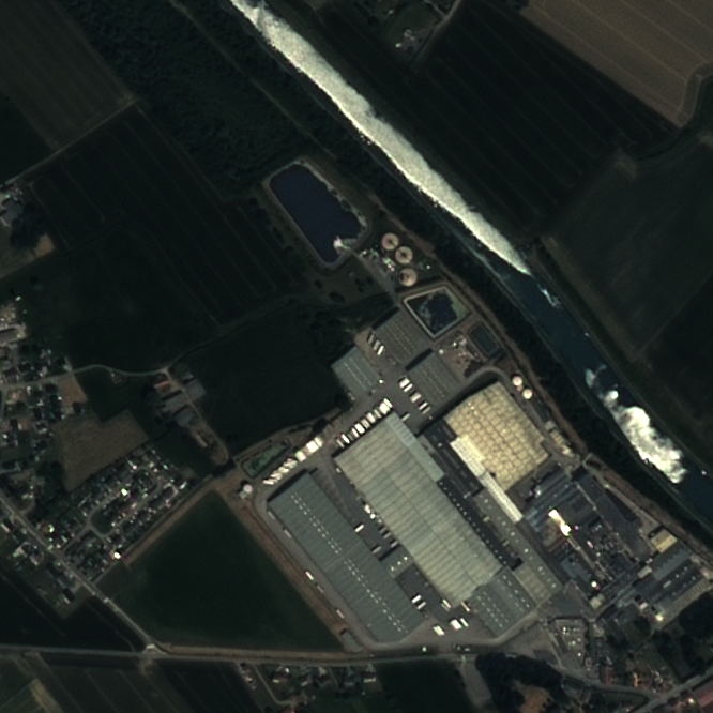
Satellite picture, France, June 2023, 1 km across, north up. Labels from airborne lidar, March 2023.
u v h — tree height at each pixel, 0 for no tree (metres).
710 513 0
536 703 0
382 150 0
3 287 0
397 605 0
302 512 0
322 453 0
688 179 0
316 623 0
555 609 0
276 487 0
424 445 0
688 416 0
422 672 0
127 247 0
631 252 0
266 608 0
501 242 0
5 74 0
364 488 0
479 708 0
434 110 0
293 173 0
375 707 0
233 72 14
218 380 0
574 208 0
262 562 0
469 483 0
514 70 0
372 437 0
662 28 0
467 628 0
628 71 0
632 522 0
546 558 0
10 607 0
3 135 0
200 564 0
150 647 0
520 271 0
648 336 0
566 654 0
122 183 0
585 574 0
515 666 22
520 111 0
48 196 0
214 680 0
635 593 0
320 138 15
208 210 0
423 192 0
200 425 0
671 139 0
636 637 0
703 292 0
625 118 0
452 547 0
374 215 0
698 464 0
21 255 0
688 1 0
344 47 0
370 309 0
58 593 0
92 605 0
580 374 0
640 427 0
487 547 0
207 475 0
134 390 0
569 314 0
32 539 0
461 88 0
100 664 0
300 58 0
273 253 0
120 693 0
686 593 0
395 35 0
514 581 0
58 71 0
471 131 0
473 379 0
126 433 0
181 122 6
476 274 12
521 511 0
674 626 0
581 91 0
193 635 0
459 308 0
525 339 7
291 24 0
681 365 0
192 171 0
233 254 0
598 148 0
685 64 0
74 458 0
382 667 0
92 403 0
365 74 0
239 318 0
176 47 7
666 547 0
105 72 0
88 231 0
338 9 0
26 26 0
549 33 0
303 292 0
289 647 0
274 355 0
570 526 0
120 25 8
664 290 0
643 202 0
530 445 0
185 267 0
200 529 0
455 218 0
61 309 0
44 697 0
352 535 0
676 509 11
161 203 0
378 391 0
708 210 0
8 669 0
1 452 0
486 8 0
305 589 0
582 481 0
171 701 0
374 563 0
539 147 0
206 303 0
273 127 7
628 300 0
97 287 0
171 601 0
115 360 0
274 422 0
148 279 0
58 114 0
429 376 0
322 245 0
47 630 0
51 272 0
